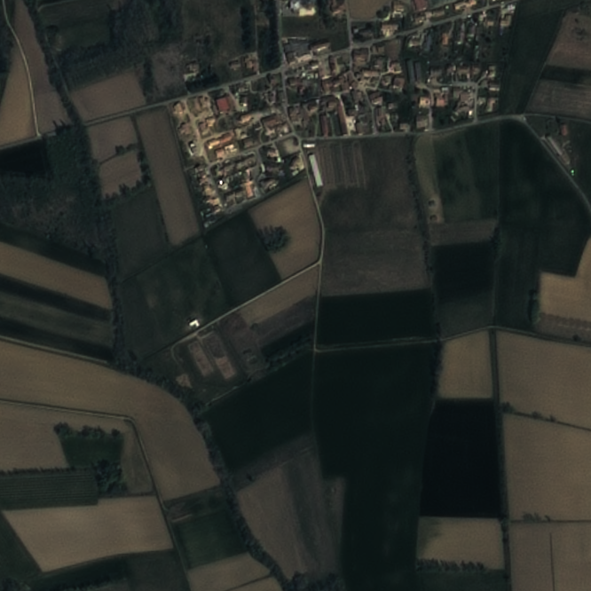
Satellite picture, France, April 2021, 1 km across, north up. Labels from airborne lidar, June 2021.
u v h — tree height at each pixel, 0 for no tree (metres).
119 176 0
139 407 0
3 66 35
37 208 7
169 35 8
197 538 0
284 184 0
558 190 0
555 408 0
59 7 0
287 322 0
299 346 7
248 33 14
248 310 0
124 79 0
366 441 0
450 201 0
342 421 0
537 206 0
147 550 0
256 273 0
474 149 0
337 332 0
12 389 0
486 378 0
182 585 0
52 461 0
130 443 0
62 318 0
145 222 0
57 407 0
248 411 0
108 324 0
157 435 0
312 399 0
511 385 0
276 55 17
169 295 0
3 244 0
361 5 0
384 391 0
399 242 0
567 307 0
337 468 0
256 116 0
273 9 15
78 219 7
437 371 29
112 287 6
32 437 0
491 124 0
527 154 0
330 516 0
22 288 0
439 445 0
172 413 0
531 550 0
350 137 0
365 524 0
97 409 0
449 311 0
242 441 0
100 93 0
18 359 0
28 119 0
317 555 0
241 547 0
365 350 0
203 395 0
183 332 0
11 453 0
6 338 0
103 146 0
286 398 0
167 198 0
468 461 0
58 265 0
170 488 0
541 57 0
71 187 6
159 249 0
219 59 0
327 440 0
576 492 0
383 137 0
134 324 0
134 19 34
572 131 0
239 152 0
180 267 0
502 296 0
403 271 0
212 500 0
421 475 0
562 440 0
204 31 0
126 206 0
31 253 0
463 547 0
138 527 0
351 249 0
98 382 0
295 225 0
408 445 0
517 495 0
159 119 0
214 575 0
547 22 0
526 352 0
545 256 0
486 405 0
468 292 0
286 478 0
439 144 0
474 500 0
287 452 0
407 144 0
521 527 0
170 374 0
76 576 0
